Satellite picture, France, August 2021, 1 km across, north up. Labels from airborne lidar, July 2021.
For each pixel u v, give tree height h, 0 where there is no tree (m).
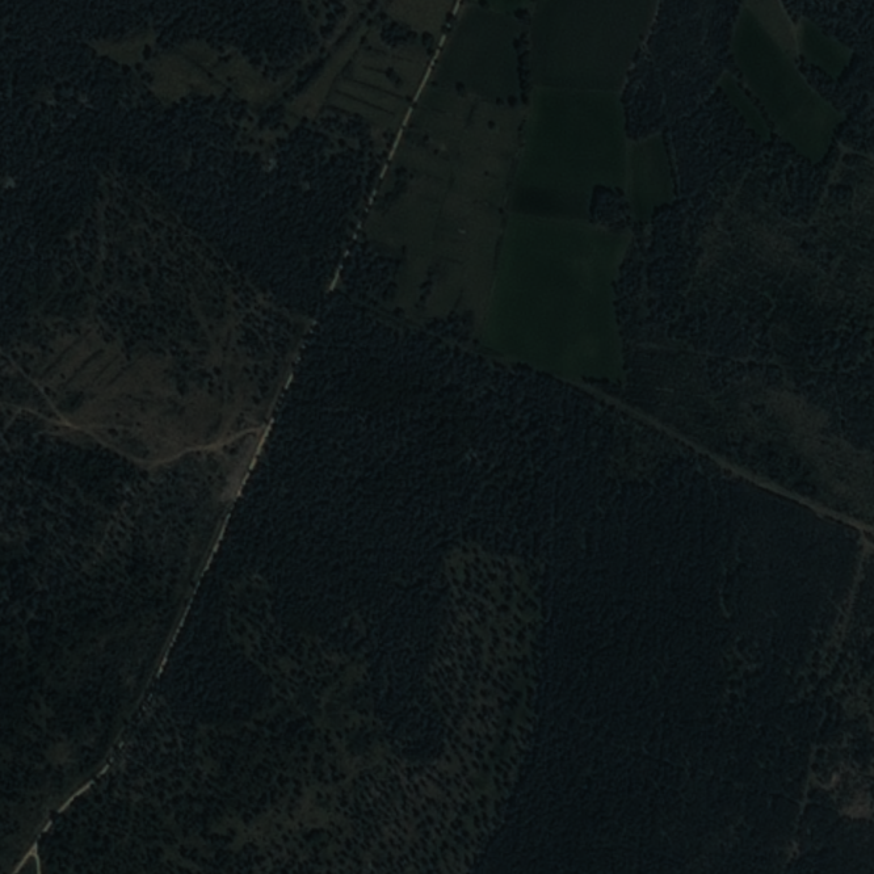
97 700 8
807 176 10
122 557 13
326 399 12
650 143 0
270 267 18
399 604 12
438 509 12
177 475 11
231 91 9
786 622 12
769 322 6
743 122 15
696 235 10
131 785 12
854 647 8
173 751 9
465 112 0
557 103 0
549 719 17
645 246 11
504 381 12
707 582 19
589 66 0
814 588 12
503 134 0
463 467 12
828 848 9
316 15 11
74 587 14
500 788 13
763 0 0
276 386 0
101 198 14
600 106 0
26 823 0
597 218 9
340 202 11
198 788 15
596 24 0
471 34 0
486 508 15
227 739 15
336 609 11
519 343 0
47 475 6
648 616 15
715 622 16
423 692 14
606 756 11
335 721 0
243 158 8
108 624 14
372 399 14
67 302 7
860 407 11
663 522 16
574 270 0
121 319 12
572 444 14
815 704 10
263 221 14
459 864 11
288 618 13
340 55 0
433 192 0
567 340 0
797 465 10
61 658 16
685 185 7
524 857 10
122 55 0
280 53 8
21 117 11
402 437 16
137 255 8
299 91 11
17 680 19
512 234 0
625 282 8
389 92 0
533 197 0
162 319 11
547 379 15
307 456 14
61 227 15
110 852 17
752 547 10
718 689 14
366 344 12
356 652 12
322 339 14
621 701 17
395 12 0
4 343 14
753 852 9
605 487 15
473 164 0
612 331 0
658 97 8
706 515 17
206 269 13
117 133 13
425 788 14
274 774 14
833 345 15
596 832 14
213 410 0
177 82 0
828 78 13
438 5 0
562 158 0
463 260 0
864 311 7
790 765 13
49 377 0
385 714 13
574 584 15
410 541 15
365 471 14
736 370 9
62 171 14
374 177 13
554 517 11
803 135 0
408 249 7
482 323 0
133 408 0
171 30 12
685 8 7
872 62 17
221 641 14
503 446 12
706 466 13
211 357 0
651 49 7
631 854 13
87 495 12
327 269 14
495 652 14
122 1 13
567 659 19
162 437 0
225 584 12
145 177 9
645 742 15
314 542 13
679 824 7
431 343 6
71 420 0
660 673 14
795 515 12
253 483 10
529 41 11
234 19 10
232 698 14
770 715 12
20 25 12
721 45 7
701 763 12
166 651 0
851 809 0
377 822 14
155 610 10
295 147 12
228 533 12
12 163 12
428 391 17
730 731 14
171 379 0
